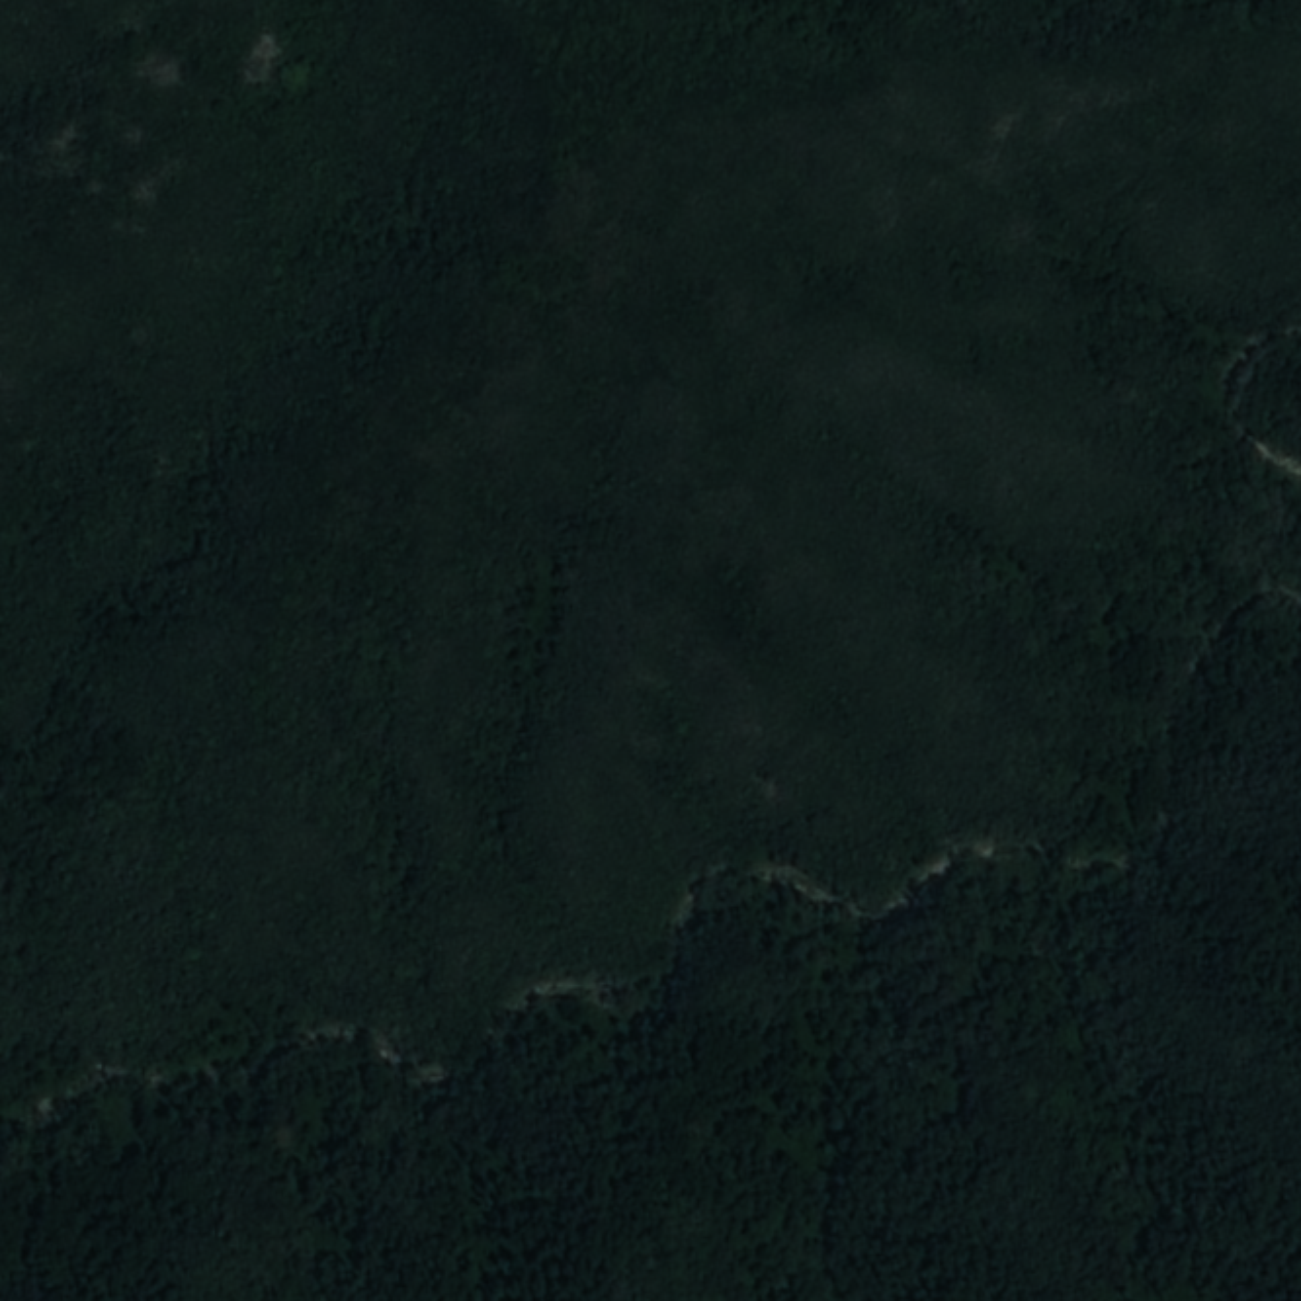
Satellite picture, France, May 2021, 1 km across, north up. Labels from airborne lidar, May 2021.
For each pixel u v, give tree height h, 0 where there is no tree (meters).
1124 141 7
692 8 9
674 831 8
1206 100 7
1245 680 17
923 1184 19
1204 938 13
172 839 11
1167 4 16
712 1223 11
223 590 10
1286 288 11
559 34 8
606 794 8
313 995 23
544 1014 17
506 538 8
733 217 8
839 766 6
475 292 8
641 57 9
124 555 9
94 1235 20
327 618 18
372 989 10
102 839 9
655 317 5
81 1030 19
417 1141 11
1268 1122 11
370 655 17
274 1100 11
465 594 10
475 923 6
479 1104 21
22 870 15
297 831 8
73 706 14
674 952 13
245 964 8
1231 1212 21
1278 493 27
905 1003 17
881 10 19
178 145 7
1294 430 16
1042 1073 17
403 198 9
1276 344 15
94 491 9
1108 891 22
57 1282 9
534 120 7
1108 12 17
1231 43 6
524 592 26
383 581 8
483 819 15
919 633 10
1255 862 17
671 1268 16
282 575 8
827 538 6
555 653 16
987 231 7
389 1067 22
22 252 5
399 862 19
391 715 10
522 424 6
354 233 10
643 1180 18
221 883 10
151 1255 14
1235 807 14
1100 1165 14
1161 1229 23
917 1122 17
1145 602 20
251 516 9
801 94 7
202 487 21
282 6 6
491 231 8
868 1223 13
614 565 7
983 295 6
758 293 6
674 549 6
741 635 12
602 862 7
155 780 12
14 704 7
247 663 10
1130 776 5
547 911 14
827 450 8
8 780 15
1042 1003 22
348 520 8
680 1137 22
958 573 18
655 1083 27
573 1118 16
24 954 14
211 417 15
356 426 7
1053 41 13
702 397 6
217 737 9
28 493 10
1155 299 22
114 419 8
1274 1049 11
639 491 7
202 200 6
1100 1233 18
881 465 7
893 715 6
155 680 7
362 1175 12
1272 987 15
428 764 7
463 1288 20
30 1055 19
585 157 8
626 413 8
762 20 11
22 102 7
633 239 6
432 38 6
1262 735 15
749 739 7
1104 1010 23
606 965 12
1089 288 20
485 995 11
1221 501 18
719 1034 18
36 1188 15
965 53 8
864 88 7
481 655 10
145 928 11
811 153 6
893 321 7
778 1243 22
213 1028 17
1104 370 11
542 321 8
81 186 9
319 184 7
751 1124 25
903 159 6
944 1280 15
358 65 8
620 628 6
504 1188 21
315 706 15
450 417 7
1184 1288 12
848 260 6
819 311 8
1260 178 6
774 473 6
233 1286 19
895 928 27
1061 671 18
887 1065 21
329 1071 16
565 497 8
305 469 7
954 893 23
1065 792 6
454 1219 17
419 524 5
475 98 10
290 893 6
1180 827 20
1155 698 19
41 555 10
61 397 9
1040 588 18
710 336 7
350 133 7
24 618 6
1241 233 7
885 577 8
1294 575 20
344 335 9
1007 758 14
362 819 15
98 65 10
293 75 22
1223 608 26
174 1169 17
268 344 8
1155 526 13
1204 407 20
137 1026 10
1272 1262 18
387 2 6
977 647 9
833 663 6
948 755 6
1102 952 15
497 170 11
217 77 8
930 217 7
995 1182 12
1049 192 9
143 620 15
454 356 7
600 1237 22
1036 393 7
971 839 20
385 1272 18
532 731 16
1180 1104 17
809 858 16
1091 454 7
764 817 9
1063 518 6
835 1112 22
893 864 16
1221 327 14
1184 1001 9
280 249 15
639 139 8
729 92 8
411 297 12
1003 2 10
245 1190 16
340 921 12
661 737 9
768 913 11
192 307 6
